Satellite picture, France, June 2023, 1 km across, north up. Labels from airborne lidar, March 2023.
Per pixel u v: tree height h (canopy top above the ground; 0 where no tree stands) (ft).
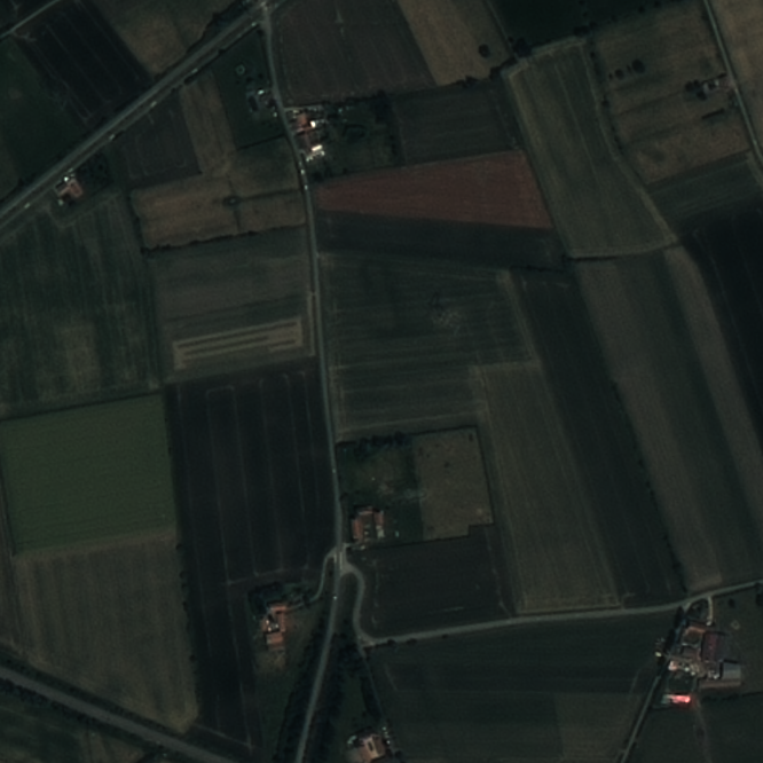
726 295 0
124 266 0
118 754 0
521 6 0
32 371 0
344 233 0
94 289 0
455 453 0
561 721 0
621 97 0
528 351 0
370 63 0
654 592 0
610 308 0
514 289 0
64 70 0
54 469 0
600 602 0
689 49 0
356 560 0
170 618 0
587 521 0
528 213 0
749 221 0
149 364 0
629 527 0
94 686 0
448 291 0
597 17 0
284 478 0
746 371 0
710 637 0
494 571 0
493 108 0
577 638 0
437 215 0
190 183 0
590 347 0
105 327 0
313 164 0
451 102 0
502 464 0
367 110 0
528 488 0
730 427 0
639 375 0
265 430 0
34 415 0
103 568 0
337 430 0
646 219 0
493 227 0
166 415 0
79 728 0
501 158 0
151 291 0
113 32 0
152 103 0
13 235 0
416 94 0
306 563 0
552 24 0
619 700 0
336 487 0
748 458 0
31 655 0
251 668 0
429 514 0
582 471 0
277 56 0
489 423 0
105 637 0
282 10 0
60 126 0
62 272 0
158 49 0
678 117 0
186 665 0
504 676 0
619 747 0
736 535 0
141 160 0
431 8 0
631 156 0
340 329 0
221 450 0
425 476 0
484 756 0
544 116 0
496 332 0
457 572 0
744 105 0
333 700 71
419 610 0
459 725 0
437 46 0
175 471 0
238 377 0
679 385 0
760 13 0
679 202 0
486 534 0
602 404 0
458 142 0
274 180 0
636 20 0
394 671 0
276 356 0
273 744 0
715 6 0
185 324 0
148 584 0
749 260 0
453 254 0
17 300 0
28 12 0
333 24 0
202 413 0
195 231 0
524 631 0
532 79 0
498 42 0
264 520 0
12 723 0
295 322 0
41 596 0
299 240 0
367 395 0
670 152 0
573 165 0
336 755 0
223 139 0
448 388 0
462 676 0
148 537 0
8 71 0
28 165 0
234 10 22
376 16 0
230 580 0
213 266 0
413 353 0
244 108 0
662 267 0
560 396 0
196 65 0
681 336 0
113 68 0
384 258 0
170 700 0
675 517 0
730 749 0
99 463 0
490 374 0
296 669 0
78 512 0
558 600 0
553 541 0
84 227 0
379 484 0
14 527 0
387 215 0
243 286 0
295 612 0
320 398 0
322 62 0
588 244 0
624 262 0
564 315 0
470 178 0
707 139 0
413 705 0
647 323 0
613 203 0
